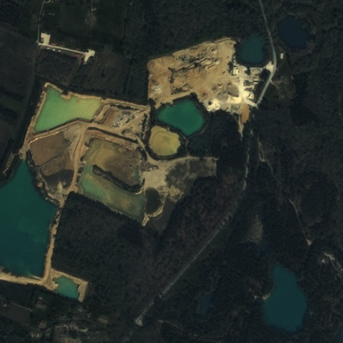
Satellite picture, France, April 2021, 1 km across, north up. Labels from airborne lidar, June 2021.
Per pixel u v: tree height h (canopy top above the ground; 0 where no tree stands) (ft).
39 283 0
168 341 36
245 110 0
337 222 62
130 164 0
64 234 34
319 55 60
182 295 41
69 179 0
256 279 59
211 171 0
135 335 58
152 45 69
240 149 55
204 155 47
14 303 0
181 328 33
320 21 21
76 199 45
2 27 59
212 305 58
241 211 59
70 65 20
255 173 57
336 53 51
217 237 55
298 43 0
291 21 0
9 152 57
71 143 0
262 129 44
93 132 0
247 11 61
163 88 0
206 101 0
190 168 0
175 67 0
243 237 49
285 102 0
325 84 40
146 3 76
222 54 0
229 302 62
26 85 0
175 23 56
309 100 50
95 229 62
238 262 49
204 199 45
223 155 55
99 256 45
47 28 0
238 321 44
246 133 57
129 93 63
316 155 41
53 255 22
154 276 29
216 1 63
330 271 47
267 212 61
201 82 0
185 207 53
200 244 44
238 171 55
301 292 0
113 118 0
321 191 44
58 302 0
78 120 0
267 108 66
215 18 66
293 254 42
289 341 51
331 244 65
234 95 0
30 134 0
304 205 32
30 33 0
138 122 0
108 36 0
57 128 0
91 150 0
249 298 39
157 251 51
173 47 48
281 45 37
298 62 25
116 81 0
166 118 0
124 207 0
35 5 0
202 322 68
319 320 49
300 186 57
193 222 45
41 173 0
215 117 54
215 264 47
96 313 0
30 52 77
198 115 0
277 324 0
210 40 47
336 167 52
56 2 40
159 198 0
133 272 49
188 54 0
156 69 0
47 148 0
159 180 0
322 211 49
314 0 42
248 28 63
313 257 54
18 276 0
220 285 66
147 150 35
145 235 37
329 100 50
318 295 45
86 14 0
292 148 38
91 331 29
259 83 34
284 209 67
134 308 52
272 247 52
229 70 29
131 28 53
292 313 0
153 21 51
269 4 50
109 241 38
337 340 0
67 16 0
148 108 0
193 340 23
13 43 77
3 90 34
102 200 0
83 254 50
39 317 0
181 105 0
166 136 0
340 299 52
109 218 36
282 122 40
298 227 33
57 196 0
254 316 52
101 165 0
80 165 0
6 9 31
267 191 47
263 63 26
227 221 39
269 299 0
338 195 74
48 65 33
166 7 52
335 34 60
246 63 30
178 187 0
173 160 0
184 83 0
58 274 0
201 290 44
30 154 0
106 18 0
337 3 56
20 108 0
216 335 30
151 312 60
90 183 0
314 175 62
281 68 0
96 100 0
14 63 0
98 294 61
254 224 0
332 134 53
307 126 52
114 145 0
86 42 0
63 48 0
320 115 37
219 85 0
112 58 0
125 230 44
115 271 45
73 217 86
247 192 55
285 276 0
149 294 37
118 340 49
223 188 36
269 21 66
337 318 50
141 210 0
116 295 48
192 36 46
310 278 61
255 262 19
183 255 25
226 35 21
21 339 61
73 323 0
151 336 48
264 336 55
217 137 51
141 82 52
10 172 0
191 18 53
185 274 48
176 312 60
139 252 37
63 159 0
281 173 40
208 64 0
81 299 0
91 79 28
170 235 40
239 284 48
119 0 0
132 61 20
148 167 0
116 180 21
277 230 56
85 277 33
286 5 57
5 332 27
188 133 0
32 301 21
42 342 27
